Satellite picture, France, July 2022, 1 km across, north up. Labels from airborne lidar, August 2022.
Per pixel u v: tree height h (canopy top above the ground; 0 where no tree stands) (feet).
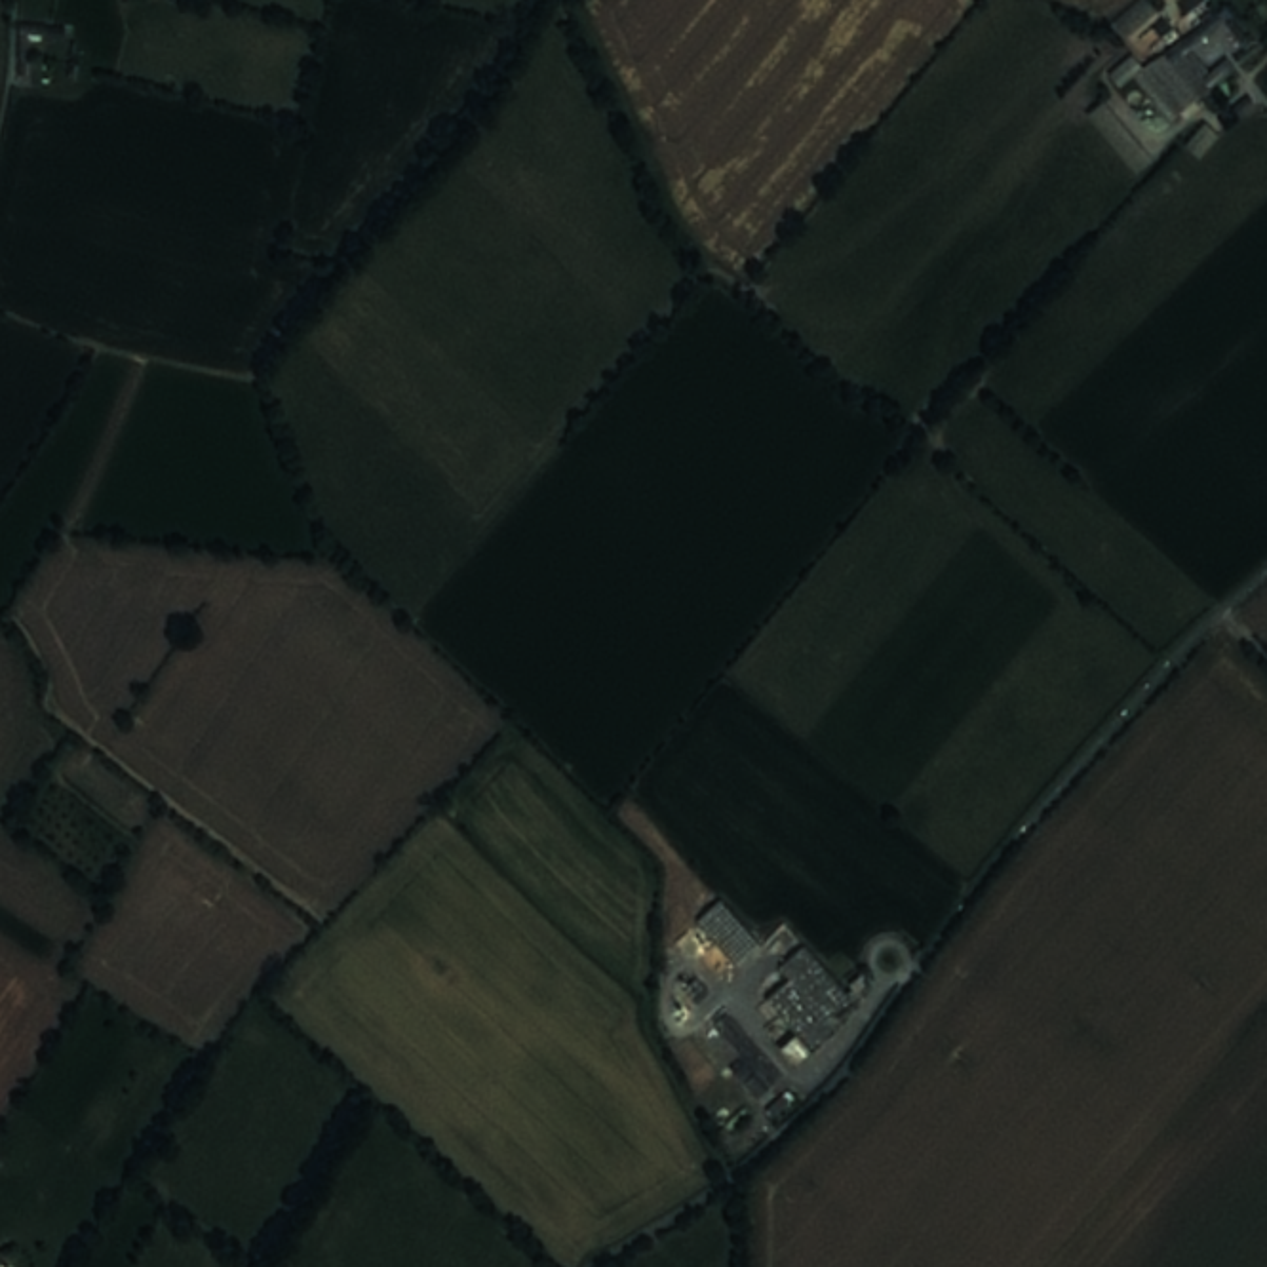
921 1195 0
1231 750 0
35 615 0
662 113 0
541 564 0
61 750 23
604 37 0
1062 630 0
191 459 0
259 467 0
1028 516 0
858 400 77
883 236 0
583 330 0
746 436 0
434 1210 0
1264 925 0
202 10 52
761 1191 0
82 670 0
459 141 79
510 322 0
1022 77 0
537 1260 68
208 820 0
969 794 0
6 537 0
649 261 0
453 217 0
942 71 0
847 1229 0
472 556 0
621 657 0
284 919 0
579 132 0
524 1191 0
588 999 0
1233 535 0
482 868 0
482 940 0
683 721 21
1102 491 0
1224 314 0
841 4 0
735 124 0
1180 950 0
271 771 0
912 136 0
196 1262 0
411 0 36
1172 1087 0
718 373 0
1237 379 0
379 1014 0
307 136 59
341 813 0
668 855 0
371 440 0
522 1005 0
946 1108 0
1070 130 0
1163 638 0
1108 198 0
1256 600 0
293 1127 0
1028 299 37
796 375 0
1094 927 0
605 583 0
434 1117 0
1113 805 0
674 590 0
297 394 0
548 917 0
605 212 0
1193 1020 0
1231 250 0
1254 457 0
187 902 0
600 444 0
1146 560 0
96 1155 0
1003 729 0
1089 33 28
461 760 0
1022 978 0
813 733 0
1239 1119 0
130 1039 0
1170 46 0
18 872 0
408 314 0
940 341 0
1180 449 0
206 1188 0
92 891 49
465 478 0
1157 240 0
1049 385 0
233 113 20
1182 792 0
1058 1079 0
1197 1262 0
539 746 21
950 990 0
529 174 0
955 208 0
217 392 0
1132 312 0
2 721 0
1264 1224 0
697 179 0
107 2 0
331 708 0
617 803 22
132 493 0
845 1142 0
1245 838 0
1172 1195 0
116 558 0
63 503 0
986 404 36
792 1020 0
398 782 0
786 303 0
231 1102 0
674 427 0
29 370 0
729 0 0
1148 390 0
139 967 0
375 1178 0
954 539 0
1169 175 0
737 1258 33
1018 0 0
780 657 0
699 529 0
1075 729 0
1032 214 0
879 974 0
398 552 0
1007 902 0
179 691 0
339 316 0
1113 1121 0
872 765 0
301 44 0
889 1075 0
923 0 0
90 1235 52
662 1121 0
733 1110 0
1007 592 0
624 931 0
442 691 0
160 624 0
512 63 70
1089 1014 0
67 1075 0
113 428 0
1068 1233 0
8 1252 36
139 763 0
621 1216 0
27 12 0
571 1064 0
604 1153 0
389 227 86
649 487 0
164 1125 55
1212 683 0
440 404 0
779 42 0
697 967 0
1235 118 67
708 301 0
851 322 0
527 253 0
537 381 0
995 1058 0
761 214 0
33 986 0
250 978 0
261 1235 0
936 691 0
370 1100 68
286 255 65
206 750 0
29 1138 0
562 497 0
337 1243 0
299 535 0
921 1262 0
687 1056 0
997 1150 0
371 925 0
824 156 0
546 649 0
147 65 0
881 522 0
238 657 0
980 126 0
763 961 0
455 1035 0
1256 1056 0
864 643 0
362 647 0
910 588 0
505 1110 0
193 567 0
